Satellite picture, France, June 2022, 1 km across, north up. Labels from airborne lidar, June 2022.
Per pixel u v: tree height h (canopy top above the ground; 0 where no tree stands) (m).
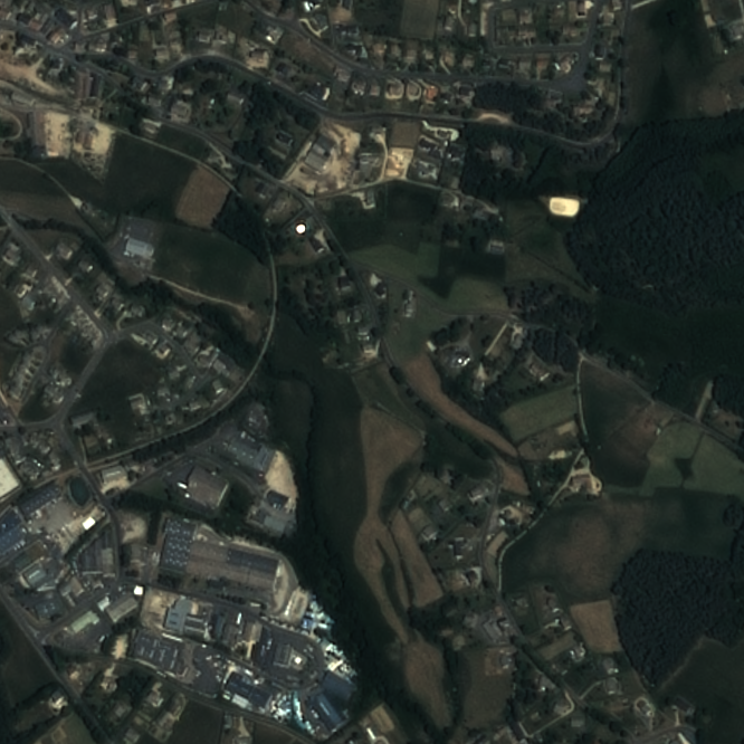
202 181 0
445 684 0
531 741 9
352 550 0
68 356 0
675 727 0
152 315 7
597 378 0
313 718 0
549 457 0
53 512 0
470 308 0
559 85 0
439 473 17
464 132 15
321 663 0
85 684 0
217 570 0
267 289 0
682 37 0
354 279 16
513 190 18
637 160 20
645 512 0
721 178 9
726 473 0
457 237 25
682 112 0
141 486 0
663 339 0
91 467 0
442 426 0
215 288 0
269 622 0
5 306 0
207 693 0
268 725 0
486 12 0
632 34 0
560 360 16
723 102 0
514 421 0
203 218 0
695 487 0
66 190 0
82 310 0
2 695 29
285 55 14
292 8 25
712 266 13
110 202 0
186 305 7
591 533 0
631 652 17
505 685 0
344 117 0
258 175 10
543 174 23
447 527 9
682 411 0
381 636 0
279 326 0
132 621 12
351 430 0
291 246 6
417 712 14
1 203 0
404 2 0
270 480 0
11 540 0
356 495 0
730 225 22
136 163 0
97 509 0
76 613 0
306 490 14
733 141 30
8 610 0
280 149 0
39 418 0
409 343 0
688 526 0
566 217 0
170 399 0
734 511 13
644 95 0
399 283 0
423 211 0
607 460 0
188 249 0
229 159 7
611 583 0
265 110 17
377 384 0
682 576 16
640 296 15
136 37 6
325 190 0
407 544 0
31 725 0
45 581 0
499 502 0
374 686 11
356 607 18
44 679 0
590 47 0
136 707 10
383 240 0
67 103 0
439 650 0
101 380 0
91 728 15
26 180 0
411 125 0
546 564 0
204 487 0
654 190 19
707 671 0
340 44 0
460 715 7
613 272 11
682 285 8
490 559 0
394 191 0
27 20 0
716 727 0
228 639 0
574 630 0
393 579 0
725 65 0
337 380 0
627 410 0
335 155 0
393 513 0
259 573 0
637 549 0
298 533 9
